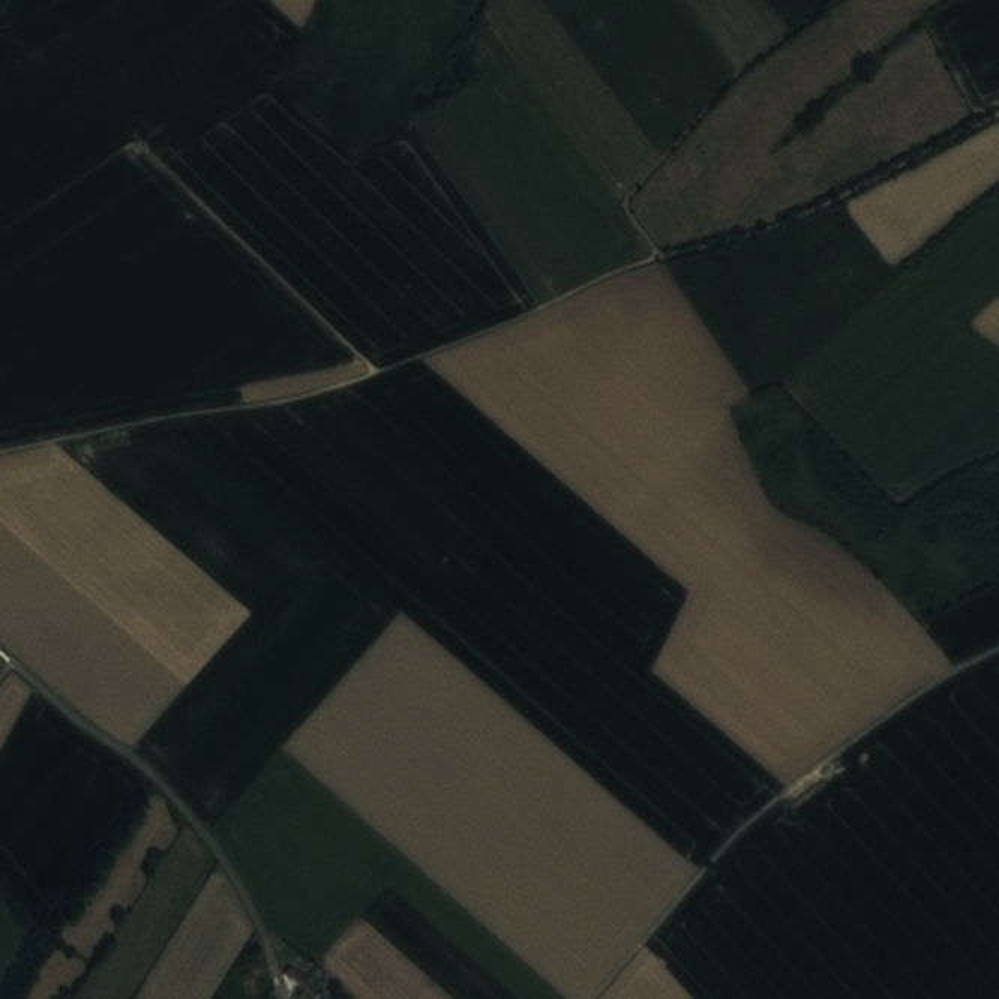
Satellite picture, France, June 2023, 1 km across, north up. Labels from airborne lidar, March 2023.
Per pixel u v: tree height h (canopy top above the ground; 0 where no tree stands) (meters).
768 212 0
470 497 0
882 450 0
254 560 0
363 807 0
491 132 0
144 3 0
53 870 0
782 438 0
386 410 0
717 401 0
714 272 0
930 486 8
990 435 0
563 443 0
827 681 0
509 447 0
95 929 0
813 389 0
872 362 0
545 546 0
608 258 0
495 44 0
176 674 0
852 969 0
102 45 0
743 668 0
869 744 0
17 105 0
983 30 0
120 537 0
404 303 0
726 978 0
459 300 0
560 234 0
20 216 0
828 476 0
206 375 0
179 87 0
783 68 0
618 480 0
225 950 0
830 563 0
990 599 0
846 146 0
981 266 0
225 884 0
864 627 0
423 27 0
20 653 0
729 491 0
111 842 18
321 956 0
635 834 0
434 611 0
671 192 0
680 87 0
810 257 0
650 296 0
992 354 0
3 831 0
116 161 0
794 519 0
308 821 0
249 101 0
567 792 0
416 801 0
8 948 0
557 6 0
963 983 0
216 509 0
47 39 0
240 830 0
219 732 0
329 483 0
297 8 0
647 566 0
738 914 0
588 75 0
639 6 0
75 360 0
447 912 0
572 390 0
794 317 0
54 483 0
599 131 0
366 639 0
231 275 0
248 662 0
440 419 0
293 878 0
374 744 0
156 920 0
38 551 0
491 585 0
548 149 0
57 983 0
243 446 0
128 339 0
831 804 0
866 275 0
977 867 0
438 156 0
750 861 0
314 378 0
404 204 0
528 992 0
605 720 0
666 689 0
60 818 0
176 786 0
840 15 0
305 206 0
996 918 0
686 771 0
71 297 0
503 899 0
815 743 0
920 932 0
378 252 0
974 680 0
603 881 0
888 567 0
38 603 0
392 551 0
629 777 0
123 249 0
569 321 0
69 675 0
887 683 0
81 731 0
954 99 0
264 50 0
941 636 0
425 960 0
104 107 0
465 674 0
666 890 0
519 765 0
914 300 0
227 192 0
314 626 0
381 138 0
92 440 0
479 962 0
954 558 0
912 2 0
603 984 0
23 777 0
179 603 0
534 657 0
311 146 0
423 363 0
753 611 0
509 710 0
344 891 0
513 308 0
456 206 0
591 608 0
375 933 0
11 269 0
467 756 0
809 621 0
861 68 20
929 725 0
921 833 0
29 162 0
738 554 0
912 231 0
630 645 0
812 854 0
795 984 0
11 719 0
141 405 0
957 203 0
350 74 0
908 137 0
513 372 0
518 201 0
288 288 0
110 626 0
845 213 0
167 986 0
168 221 0
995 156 0
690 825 0
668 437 0
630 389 0
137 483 0
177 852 0
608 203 0
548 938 0
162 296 0
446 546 0
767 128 0
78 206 0
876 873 0
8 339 0
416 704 0
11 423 0
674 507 0
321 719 0
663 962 0
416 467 0
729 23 0
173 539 0
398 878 0
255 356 0
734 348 0
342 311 0
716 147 0
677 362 0
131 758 0
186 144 0
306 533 0
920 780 0
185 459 0
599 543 0
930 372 0
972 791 0
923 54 0
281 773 0
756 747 0
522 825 0
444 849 0
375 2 0
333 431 0
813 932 0
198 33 0
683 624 0
